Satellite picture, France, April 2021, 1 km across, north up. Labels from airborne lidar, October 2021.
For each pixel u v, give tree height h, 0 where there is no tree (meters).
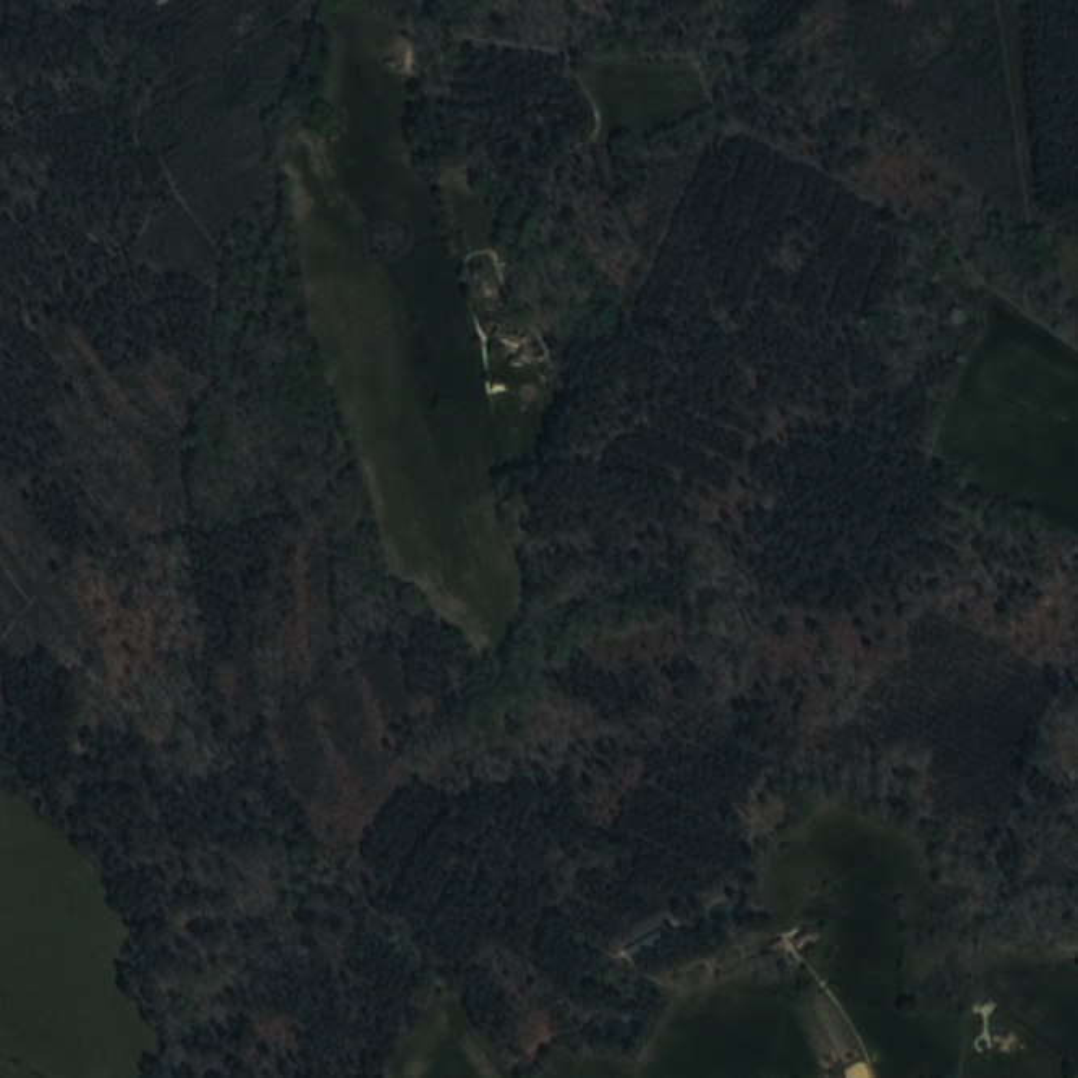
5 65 24
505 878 25
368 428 0
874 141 17
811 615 21
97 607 11
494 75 11
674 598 27
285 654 8
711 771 8
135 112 16
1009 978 0
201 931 13
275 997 18
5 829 0
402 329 0
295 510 20
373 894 21
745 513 14
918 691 6
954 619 10
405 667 13
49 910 0
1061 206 14
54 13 18
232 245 15
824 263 13
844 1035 0
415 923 22
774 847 9
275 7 7
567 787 17
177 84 8
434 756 22
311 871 19
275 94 8
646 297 13
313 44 20
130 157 15
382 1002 18
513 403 0
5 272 22
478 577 0
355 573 21
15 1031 0
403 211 0
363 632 16
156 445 8
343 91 0
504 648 0
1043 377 0
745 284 10
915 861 0
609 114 0
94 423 9
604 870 7
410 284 0
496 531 0
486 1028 20
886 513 26
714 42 16
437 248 0
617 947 9
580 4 15
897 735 6
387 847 15
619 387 26
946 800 7
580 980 24
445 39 16
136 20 17
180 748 21
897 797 10
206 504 19
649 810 7
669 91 0
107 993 0
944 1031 0
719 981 8
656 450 13
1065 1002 0
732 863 7
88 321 21
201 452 21
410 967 20
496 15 12
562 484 28
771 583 17
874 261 12
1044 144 12
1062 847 7
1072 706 28
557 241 17
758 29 18
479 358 0
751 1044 0
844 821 0
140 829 30
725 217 12
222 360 17
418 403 0
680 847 7
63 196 13
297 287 13
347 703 0
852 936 0
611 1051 23
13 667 21
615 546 22
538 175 24
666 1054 0
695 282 8
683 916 23
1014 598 18
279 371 23
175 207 16
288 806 23
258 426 21
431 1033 0
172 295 19
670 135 16
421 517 0
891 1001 0
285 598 7
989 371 0
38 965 0
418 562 0
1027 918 19
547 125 6
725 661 19
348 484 20
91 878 0
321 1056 17
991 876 18
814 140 21
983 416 0
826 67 11
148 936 27
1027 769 17
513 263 11
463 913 26
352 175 0
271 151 10
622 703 17
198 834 29
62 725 23
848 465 21
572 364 19
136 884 25
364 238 0
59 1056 0
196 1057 24
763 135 18
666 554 29
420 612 19
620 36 11
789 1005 0
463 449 0
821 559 20
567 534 23
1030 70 11
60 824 22
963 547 17
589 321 12
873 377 24
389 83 0
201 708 21
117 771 28
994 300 0
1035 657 17
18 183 20
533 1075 11
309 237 0
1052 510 0
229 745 20
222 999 13
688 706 25
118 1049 0
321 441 16
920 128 8
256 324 22
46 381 21
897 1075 0
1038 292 10
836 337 17
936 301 20
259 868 17
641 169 12
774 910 0
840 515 20
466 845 22
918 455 9
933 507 23
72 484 8
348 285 0
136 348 16
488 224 0
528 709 24
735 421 10
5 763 13
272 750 23
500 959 12
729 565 12
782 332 22
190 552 19
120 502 7
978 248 17
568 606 8
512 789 6
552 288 15
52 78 22
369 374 0
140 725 22
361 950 19
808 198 11
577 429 27
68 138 16
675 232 9
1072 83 11
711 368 26
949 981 8
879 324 20
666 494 27
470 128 15
